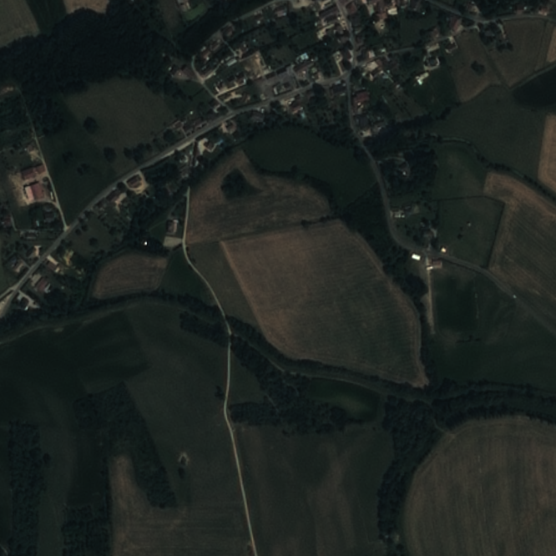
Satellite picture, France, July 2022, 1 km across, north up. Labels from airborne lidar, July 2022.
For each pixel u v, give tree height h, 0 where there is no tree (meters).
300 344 0
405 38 0
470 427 0
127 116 0
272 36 12
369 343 0
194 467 0
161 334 0
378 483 0
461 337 0
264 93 0
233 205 0
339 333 0
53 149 0
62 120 23
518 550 0
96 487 0
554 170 0
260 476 0
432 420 17
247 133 7
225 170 0
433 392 21
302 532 0
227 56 7
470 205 0
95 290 0
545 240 0
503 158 0
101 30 26
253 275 0
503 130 0
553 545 0
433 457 0
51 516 0
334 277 0
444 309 0
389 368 0
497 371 0
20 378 0
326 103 14
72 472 0
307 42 0
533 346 0
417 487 0
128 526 0
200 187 0
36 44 23
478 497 0
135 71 27
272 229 0
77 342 0
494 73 0
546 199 0
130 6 13
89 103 0
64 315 16
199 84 0
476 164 0
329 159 0
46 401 0
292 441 0
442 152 0
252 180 0
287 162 0
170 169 13
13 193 0
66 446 0
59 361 0
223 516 0
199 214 0
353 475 0
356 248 0
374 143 21
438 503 0
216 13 12
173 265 0
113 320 0
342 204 0
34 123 10
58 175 0
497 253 0
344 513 0
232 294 0
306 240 0
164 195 27
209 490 0
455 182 0
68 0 0
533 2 15
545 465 0
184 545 0
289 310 0
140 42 21
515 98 0
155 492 6
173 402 0
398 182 21
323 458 0
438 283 0
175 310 0
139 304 0
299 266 0
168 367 0
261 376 13
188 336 0
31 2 0
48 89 25
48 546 0
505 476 0
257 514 0
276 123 13
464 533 0
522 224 0
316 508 0
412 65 16
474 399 23
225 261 0
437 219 6
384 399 0
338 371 9
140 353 0
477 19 0
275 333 0
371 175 0
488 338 0
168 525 0
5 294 0
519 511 0
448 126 0
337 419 10
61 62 25
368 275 0
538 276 0
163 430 0
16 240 0
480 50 0
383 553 0
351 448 0
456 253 0
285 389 17
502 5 9
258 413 12
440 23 8
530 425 0
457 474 0
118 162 0
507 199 0
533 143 0
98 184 0
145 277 0
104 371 0
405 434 18
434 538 0
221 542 0
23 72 22
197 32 11
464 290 0
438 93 0
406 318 0
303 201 0
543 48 0
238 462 0
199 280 0
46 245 0
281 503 0
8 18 0
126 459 0
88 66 28
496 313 0
